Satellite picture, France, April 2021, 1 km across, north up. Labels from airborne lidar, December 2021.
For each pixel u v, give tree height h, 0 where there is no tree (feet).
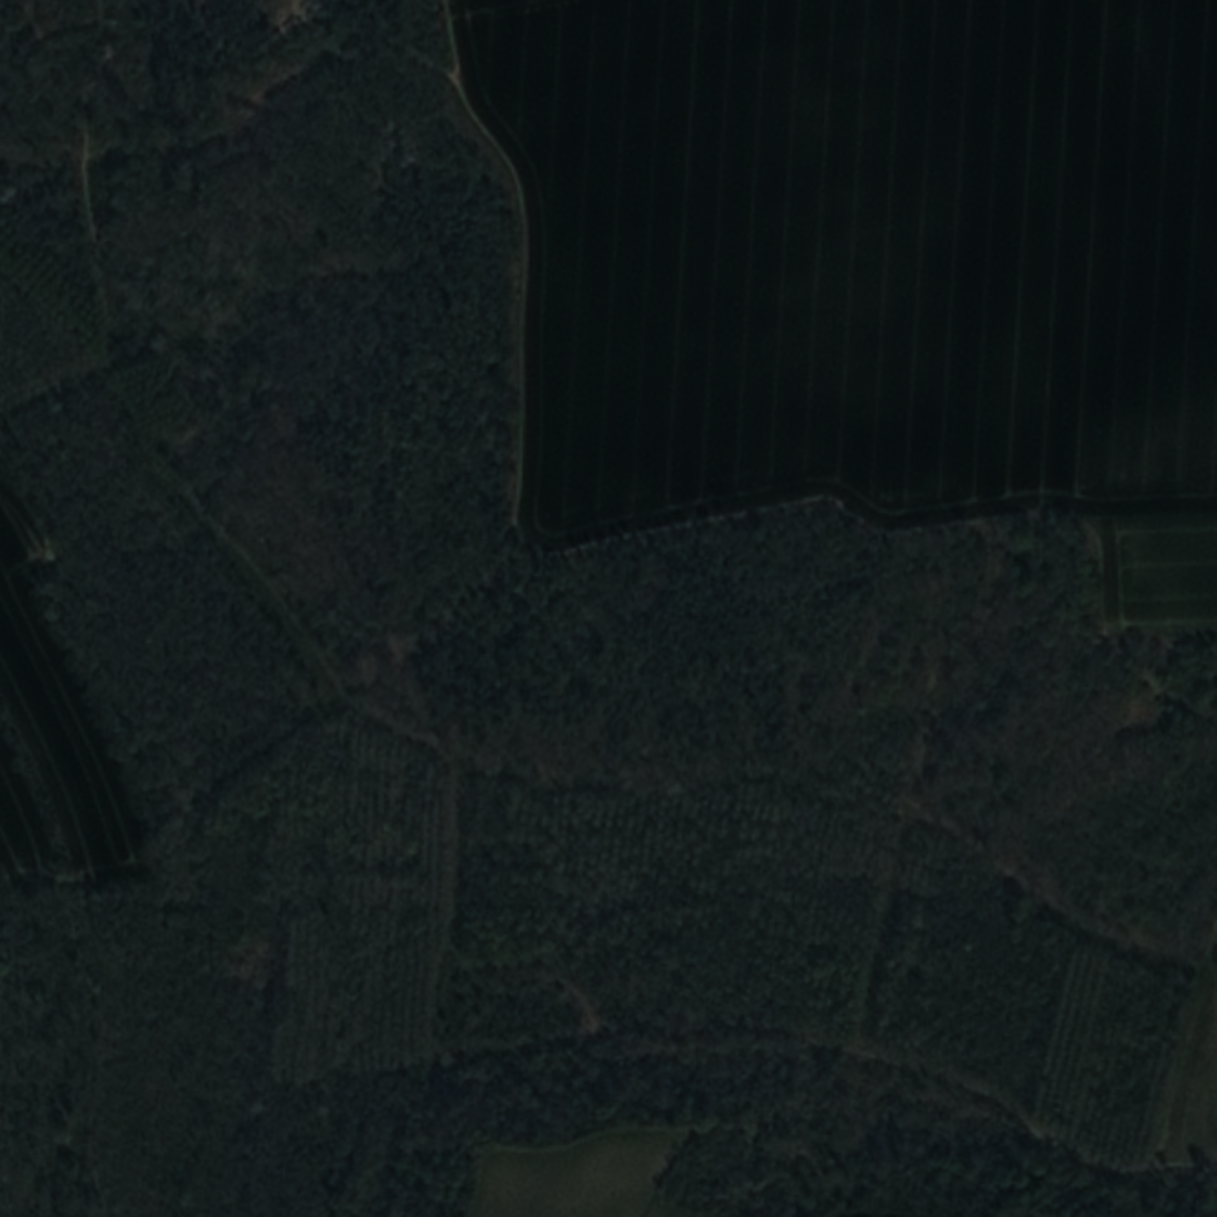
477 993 22
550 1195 0
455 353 81
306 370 78
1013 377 0
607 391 0
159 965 28
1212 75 0
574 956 81
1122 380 0
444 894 106
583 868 65
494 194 68
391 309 55
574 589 52
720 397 0
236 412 33
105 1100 25
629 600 70
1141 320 0
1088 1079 113
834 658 66
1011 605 75
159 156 71
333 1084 26
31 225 90
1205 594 0
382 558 73
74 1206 92
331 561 91
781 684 22
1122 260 0
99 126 81
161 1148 22
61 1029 111
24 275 97
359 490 41
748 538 68
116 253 71
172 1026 25
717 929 54
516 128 0
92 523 34
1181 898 74
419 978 108
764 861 79
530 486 0
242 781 83
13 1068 90
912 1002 58
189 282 86
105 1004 35
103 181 37
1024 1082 18
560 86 0
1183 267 0
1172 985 54
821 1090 22
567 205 0
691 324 0
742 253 0
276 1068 101
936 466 0
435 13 58
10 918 100
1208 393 0
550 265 0
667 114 0
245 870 29
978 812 67
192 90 56
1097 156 0
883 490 0
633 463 0
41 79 83
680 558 61
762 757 79
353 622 32
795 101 0
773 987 53
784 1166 21
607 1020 28
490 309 75
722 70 0
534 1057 40
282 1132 83
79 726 0
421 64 69
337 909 34
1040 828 25
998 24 0
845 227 0
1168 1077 92
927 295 0
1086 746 63
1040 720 55
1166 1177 54
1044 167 0
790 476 0
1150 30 0
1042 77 0
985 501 0
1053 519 59
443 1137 73
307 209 53
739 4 0
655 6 0
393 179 68
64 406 52
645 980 50
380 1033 110
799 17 0
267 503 69
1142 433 0
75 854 0
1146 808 58
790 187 0
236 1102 21
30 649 0
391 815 88
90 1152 24
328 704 0
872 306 0
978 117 0
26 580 0
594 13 0
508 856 61
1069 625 60
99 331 100
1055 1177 60
